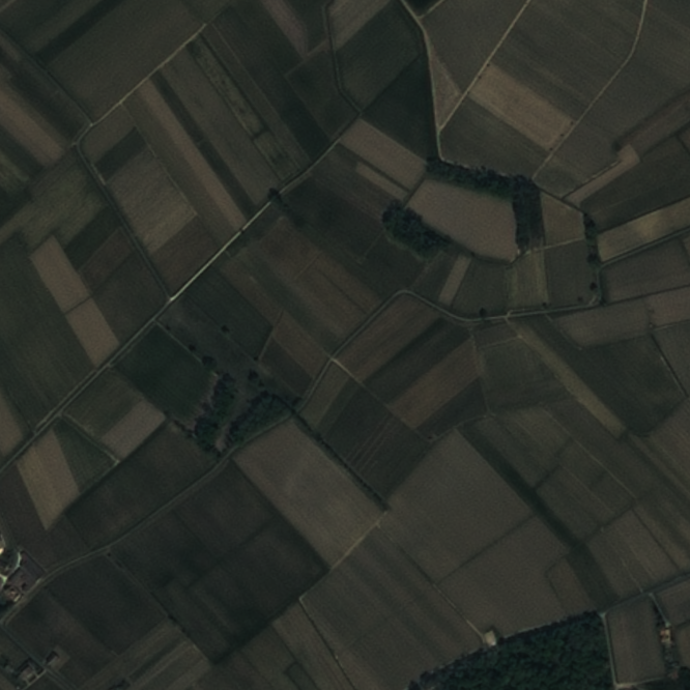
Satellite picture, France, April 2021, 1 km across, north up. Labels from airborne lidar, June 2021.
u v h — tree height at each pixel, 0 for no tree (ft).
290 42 0
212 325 0
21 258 0
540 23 0
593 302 0
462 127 0
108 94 0
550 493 0
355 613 0
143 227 0
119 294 0
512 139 0
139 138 0
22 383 0
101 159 0
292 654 0
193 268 0
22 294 0
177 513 0
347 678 0
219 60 0
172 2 0
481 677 53
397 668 0
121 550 0
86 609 0
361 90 0
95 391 0
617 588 0
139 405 0
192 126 0
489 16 0
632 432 0
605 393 0
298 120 0
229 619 0
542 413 0
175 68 0
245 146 0
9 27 0
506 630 0
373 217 0
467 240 0
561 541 0
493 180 60
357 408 0
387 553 0
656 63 0
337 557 0
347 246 0
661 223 0
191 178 0
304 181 0
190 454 0
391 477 0
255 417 46
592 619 46
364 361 0
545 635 37
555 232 0
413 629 0
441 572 0
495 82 0
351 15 0
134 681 0
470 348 0
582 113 0
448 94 0
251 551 0
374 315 0
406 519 0
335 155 0
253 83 0
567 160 0
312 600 0
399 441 0
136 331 0
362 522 0
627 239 0
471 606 0
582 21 0
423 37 0
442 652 0
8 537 0
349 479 0
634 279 0
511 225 0
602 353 0
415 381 0
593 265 38
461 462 0
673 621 0
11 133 0
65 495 0
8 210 0
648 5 0
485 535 0
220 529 0
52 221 0
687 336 0
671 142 0
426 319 0
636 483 0
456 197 0
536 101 0
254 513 0
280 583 0
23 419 0
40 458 0
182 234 0
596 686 41
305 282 0
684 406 0
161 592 0
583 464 0
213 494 0
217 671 0
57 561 0
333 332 0
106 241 0
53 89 0
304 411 0
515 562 0
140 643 0
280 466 0
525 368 0
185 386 0
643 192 0
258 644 0
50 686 0
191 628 0
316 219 0
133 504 0
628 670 0
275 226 0
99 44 0
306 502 0
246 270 0
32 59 0
